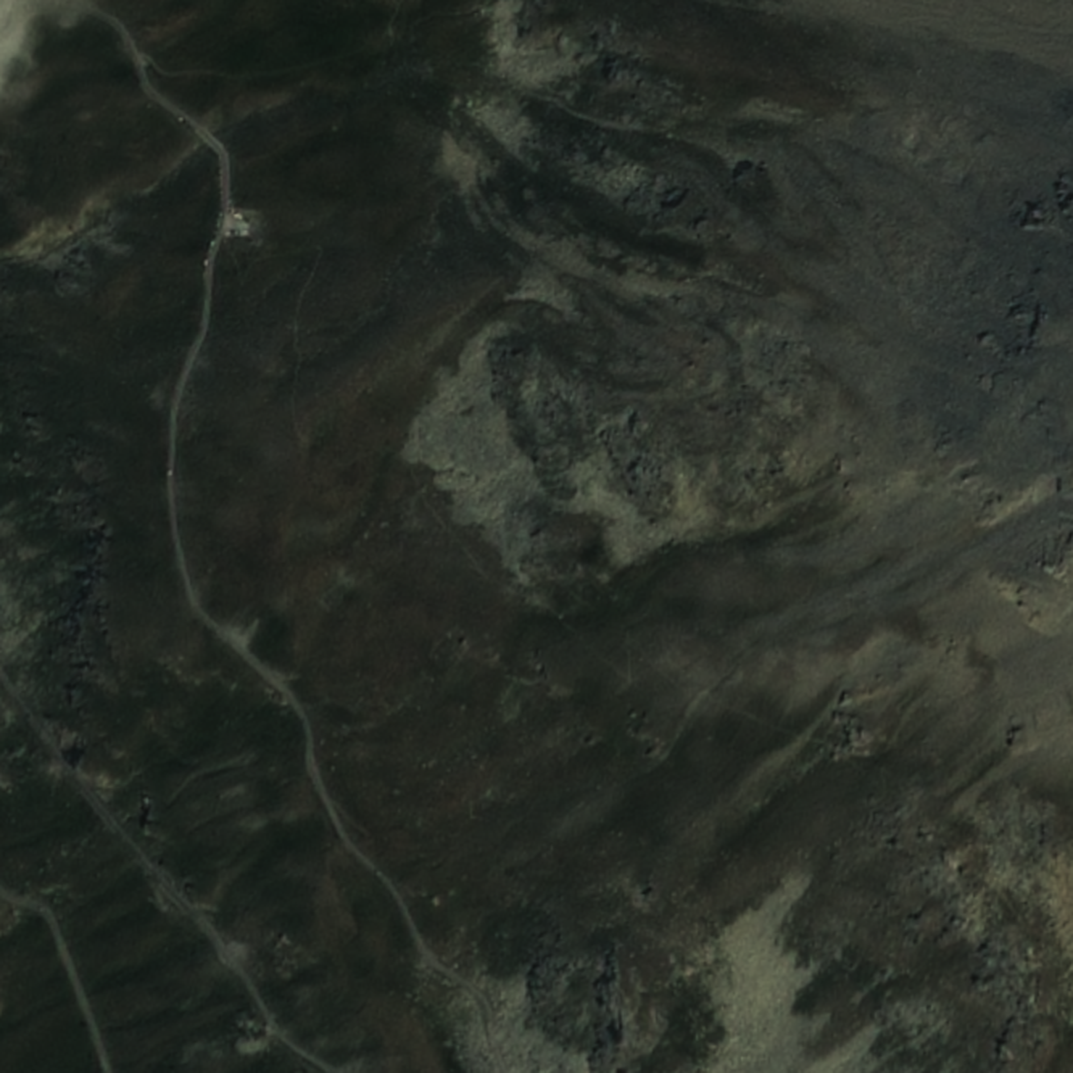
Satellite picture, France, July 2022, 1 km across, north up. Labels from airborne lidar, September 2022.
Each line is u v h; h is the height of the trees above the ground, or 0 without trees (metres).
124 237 0
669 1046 0
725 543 0
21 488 0
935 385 0
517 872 0
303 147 0
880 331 0
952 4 0
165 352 0
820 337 0
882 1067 0
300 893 0
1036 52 0
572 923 0
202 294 0
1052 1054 0
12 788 0
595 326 0
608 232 0
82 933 0
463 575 0
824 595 0
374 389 0
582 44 0
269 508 0
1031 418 0
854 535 0
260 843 0
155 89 0
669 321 0
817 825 0
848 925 0
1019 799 0
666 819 0
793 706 0
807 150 0
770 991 0
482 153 0
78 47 0
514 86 0
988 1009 0
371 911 0
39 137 0
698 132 0
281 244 0
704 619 0
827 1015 0
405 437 0
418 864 0
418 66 0
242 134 0
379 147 0
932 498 0
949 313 0
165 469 0
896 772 0
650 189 0
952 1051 0
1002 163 0
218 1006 0
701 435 0
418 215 0
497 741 0
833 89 0
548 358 0
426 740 0
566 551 0
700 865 0
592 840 0
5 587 0
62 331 0
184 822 0
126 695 0
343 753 0
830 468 0
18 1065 0
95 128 0
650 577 0
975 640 0
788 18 0
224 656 0
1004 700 0
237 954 0
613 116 0
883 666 0
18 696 0
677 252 0
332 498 0
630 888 0
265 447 0
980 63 0
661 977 0
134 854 0
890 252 0
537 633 0
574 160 0
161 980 0
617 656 0
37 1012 0
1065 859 0
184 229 0
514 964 0
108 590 0
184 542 0
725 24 0
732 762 0
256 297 0
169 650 0
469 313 0
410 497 0
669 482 0
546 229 0
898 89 0
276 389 0
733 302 0
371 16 0
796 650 0
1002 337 0
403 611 0
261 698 0
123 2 0
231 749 0
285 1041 0
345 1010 0
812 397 0
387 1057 0
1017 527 0
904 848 8
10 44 0
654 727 0
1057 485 0
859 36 0
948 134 0
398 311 0
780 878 0
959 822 0
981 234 0
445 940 0
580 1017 0
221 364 0
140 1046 0
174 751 0
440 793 0
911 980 0
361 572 0
